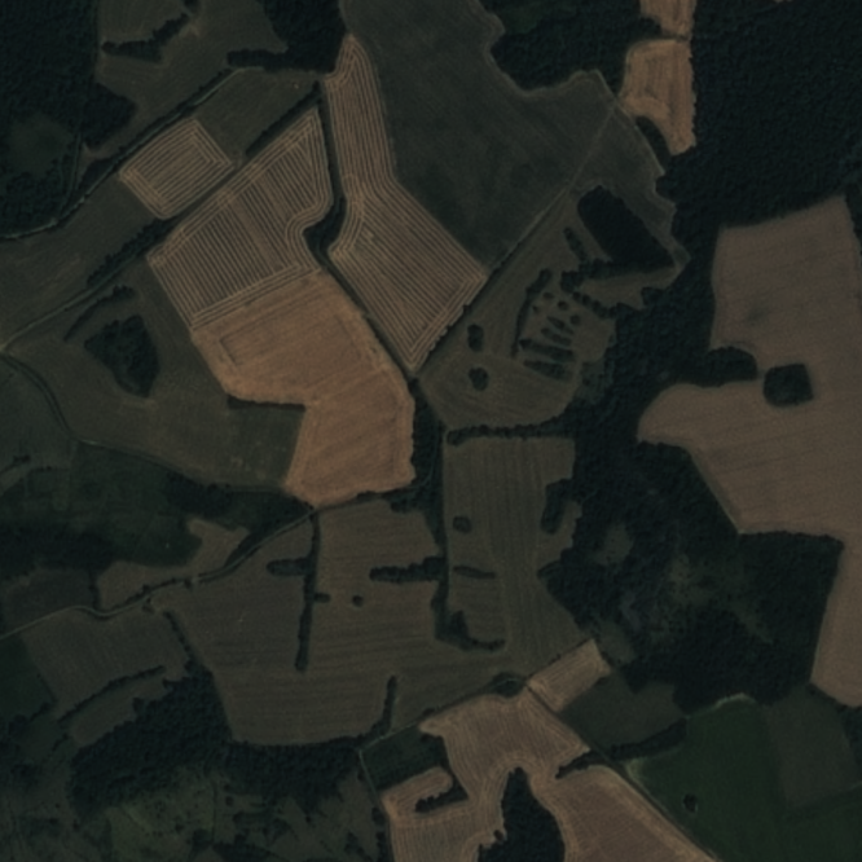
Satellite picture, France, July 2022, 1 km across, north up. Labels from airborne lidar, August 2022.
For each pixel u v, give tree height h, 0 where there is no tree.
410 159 0
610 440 10
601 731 0
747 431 0
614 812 0
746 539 9
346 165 0
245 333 0
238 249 0
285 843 0
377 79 0
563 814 0
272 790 7
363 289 0
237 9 0
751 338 0
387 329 0
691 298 13
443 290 0
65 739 9
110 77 0
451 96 0
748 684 9
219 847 9
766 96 22
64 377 0
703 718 0
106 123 11
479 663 0
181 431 0
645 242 16
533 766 0
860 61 17
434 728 0
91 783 10
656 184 8
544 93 0
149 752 15
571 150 0
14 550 12
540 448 0
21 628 0
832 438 0
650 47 0
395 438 0
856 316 0
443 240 0
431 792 0
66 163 8
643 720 0
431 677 0
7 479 0
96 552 10
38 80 19
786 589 8
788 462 0
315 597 9
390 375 0
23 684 0
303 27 21
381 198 0
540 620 0
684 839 0
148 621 0
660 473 7
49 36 14
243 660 0
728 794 0
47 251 0
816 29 19
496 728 0
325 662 0
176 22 7
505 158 0
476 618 0
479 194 0
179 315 0
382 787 6
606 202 15
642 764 0
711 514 8
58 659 0
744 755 0
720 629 9
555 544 0
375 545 0
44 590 0
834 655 0
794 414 0
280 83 0
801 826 0
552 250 0
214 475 0
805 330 0
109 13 0
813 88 21
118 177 0
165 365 0
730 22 13
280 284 0
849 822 0
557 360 9
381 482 0
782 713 0
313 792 11
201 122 0
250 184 0
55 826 9
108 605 0
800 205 11
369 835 0
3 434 0
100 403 0
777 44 18
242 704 0
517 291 0
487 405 0
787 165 12
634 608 8
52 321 0
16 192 10
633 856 0
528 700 0
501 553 0
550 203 0
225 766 6
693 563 5
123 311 0
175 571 0
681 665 10
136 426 0
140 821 0
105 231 0
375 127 0
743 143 17
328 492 0
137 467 0
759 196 6
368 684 0
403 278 0
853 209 15
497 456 0
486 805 0
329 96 0
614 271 10
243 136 0
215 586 0
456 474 0
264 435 0
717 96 17
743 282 0
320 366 0
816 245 0
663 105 0
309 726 0
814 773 0
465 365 0
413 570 11
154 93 0
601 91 0
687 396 0
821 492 0
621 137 0
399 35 0
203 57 0
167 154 0
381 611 0
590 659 0
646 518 7
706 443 0
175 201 0
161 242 7
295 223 0
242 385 0
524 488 0
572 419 7
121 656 0
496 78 0
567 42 10
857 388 0
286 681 0
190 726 8
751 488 0
